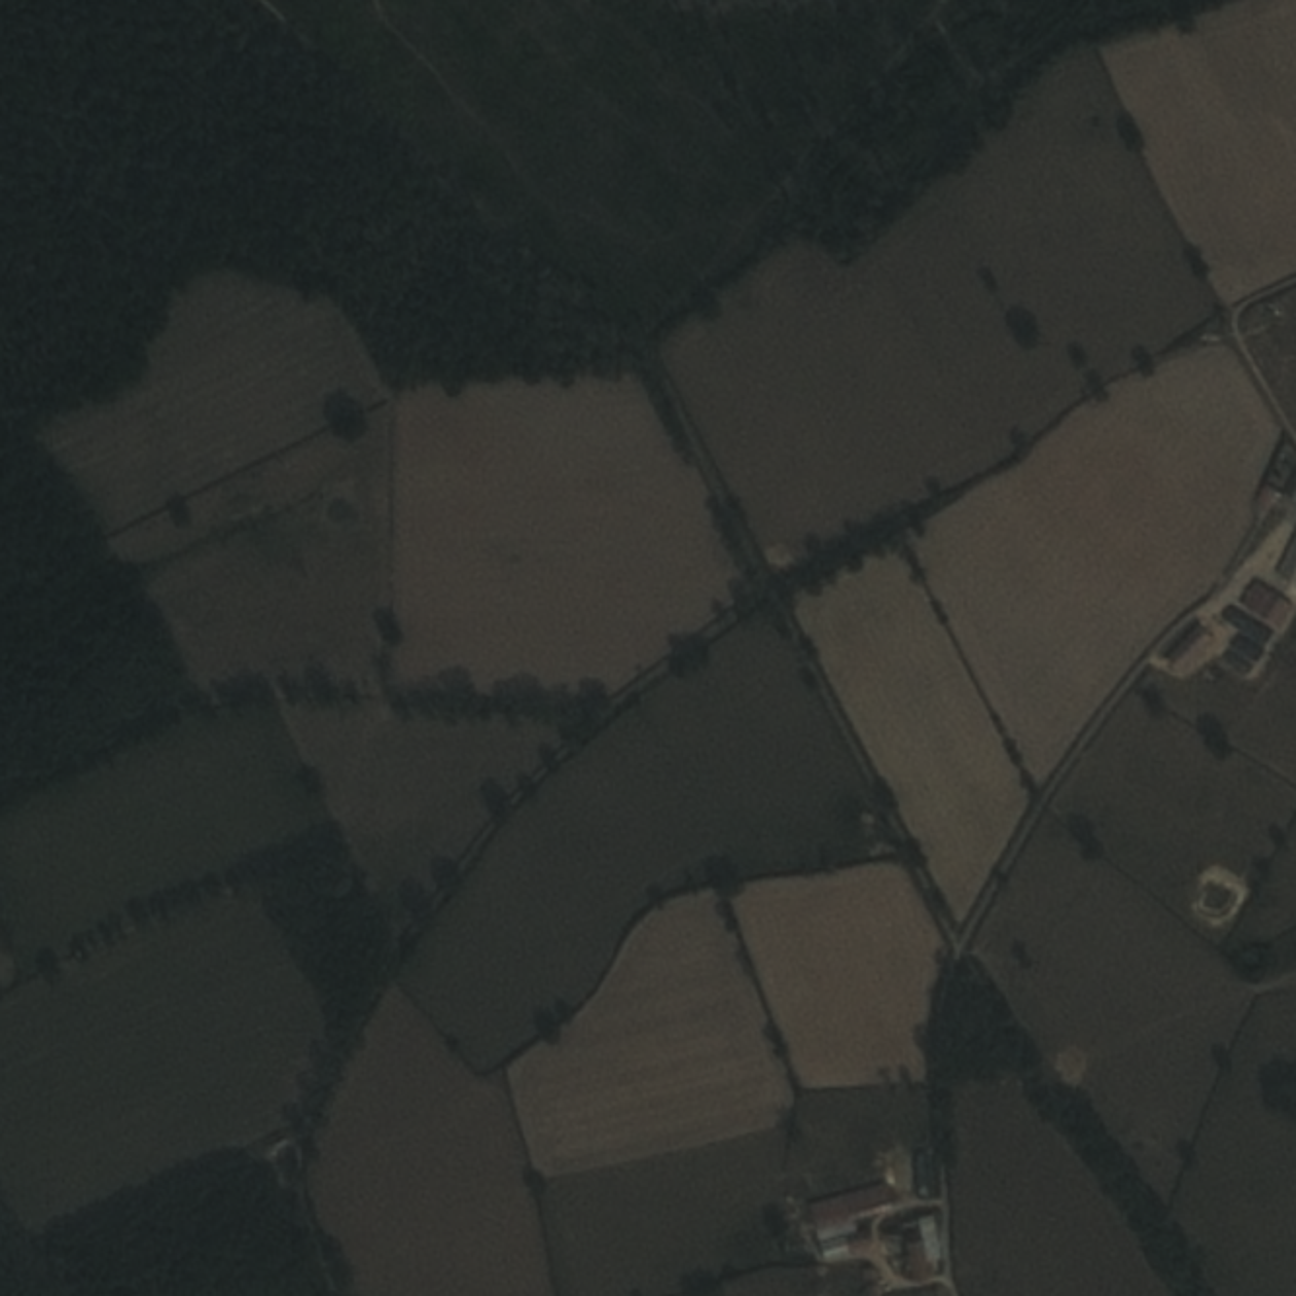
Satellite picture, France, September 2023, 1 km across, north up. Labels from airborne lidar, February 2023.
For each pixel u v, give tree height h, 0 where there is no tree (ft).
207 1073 0
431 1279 0
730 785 0
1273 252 0
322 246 74
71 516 60
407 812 0
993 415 0
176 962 0
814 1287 0
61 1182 0
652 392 55
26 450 89
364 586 0
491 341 74
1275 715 0
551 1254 0
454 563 0
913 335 0
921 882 0
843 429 0
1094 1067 0
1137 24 23
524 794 46
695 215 0
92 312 92
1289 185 0
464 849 0
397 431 0
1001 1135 0
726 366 0
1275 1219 0
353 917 82
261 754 0
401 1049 0
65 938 0
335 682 49
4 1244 66
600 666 0
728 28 0
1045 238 0
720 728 0
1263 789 0
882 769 0
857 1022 0
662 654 0
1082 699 0
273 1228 42
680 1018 0
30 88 97
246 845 0
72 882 0
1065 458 0
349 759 0
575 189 0
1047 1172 0
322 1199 0
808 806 0
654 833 0
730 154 0
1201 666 0
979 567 0
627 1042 0
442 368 69
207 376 0
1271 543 0
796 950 0
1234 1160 0
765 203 0
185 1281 74
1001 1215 0
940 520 0
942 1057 67
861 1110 0
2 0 88
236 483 0
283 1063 0
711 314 50
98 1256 46
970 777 0
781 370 0
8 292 107
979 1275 0
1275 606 0
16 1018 0
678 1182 0
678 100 0
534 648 0
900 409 0
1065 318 0
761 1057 0
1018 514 0
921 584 0
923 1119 0
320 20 0
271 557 0
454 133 0
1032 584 0
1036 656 0
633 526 0
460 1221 0
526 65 0
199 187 97
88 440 0
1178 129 0
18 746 62
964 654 0
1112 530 0
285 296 0
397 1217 0
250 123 44
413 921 58
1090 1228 0
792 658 0
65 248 100
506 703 62
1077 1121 53
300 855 73
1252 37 0
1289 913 0
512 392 0
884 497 0
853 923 0
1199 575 0
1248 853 0
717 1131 0
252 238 72
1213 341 0
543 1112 0
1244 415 0
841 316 0
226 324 0
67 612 55
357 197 63
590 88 0
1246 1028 0
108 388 72
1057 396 0
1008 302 0
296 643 0
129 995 0
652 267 0
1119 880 0
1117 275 0
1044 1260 0
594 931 0
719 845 0
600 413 0
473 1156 0
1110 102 0
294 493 0
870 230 22
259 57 85
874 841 0
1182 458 0
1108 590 0
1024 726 0
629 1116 0
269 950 0
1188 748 0
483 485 0
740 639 0
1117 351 0
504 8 0
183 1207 39
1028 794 50
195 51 114
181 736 0
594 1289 0
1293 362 0
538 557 0
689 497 0
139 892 0
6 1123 0
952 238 0
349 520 0
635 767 0
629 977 0
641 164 0
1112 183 0
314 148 77
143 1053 0
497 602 0
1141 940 0
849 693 0
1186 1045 0
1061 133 0
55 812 0
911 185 33
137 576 39
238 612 0
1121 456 0
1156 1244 52
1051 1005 0
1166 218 0
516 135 0
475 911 0
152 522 0
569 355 53
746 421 0
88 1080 0
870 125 85
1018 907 0
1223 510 0
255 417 0
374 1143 0
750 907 0
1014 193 0
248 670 0
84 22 103
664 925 0
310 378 0
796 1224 0
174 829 0
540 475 0
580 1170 0
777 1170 0
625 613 0
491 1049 0
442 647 0
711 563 0
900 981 0
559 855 0
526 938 0
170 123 33
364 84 0
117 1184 0
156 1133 0
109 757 36
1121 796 0
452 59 0
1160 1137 0
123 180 97
